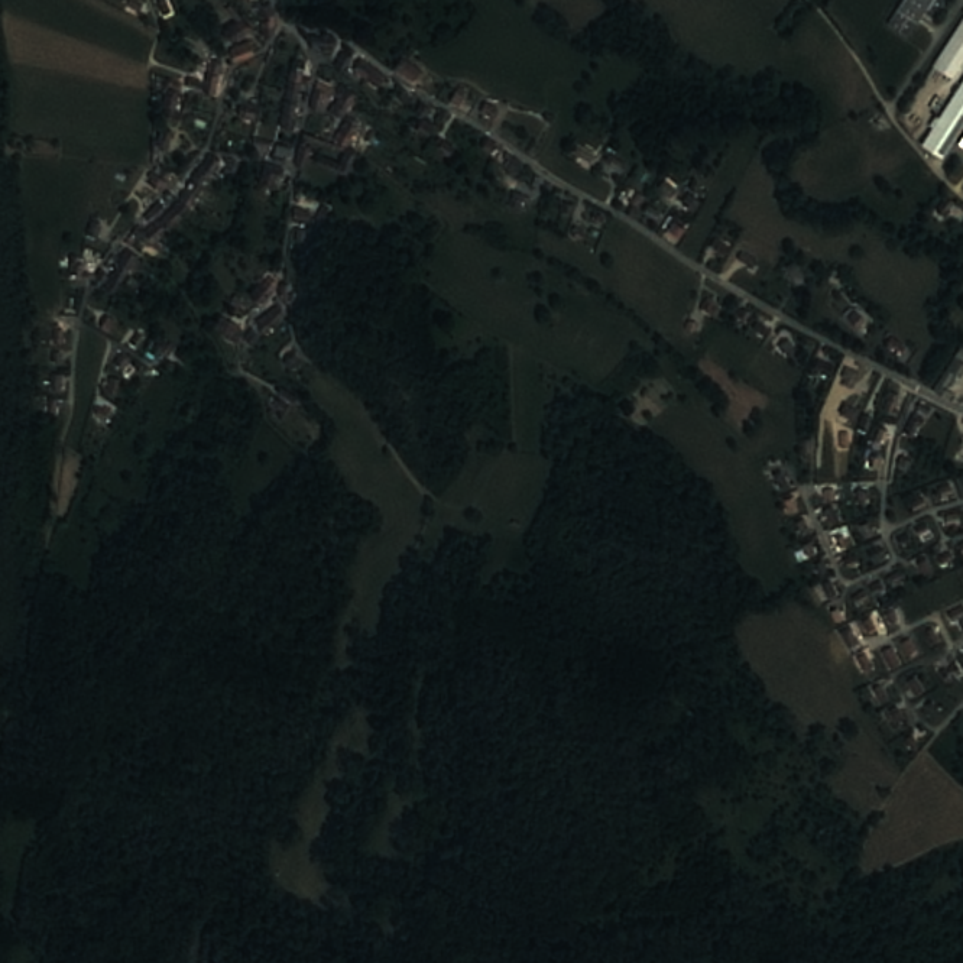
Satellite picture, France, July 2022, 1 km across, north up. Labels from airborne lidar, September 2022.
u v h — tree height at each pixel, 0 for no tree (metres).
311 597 24
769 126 21
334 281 27
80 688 22
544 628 21
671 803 26
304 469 24
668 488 19
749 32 0
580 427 21
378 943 26
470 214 0
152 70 0
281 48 6
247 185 14
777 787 7
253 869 26
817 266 10
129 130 0
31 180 0
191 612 20
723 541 24
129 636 21
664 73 10
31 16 0
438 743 23
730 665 29
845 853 17
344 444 0
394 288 27
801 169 0
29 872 6
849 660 0
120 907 26
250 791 19
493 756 19
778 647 0
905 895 17
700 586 17
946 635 0
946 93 0
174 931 16
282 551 25
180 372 18
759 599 13
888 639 0
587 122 15
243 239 10
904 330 0
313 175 0
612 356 0
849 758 0
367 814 23
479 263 0
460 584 9
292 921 29
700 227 0
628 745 20
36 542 7
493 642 10
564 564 11
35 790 15
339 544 24
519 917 30
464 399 10
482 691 24
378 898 26
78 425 0
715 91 13
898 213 0
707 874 18
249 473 0
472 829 21
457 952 26
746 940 26
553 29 24
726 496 0
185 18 9
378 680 18
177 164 14
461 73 0
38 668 20
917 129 0
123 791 20
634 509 18
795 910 9
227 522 25
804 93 18
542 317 14
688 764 25
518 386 0
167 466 18
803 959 20
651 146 14
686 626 20
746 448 0
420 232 19
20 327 7
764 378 0
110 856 21
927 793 0
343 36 15
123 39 0
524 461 0
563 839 14
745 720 14
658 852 11
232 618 25
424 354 18
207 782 14
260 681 27
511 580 12
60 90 0
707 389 17
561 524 8
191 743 16
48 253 0
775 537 0
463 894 27
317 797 0
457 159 14
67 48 0
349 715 28
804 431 7
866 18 0
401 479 0
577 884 16
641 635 17
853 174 0
